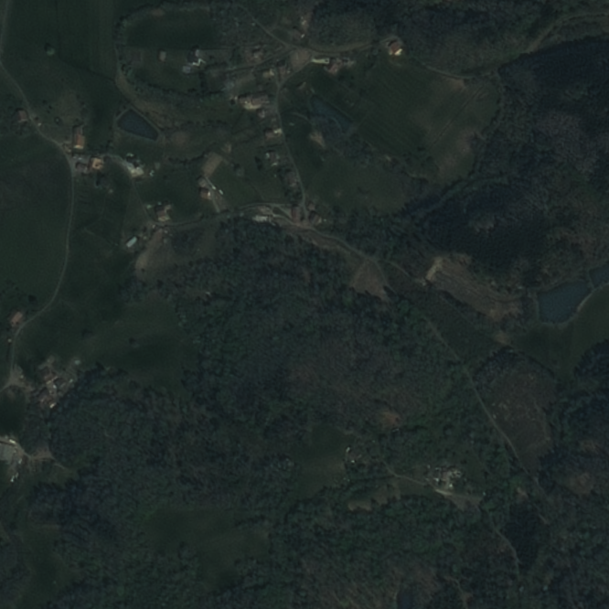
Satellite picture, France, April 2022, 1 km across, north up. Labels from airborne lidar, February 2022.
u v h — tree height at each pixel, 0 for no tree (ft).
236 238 44
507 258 63
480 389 37
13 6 0
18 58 0
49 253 0
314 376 75
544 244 52
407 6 38
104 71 0
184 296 30
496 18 91
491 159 51
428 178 0
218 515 0
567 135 55
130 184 0
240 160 0
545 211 49
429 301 22
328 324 83
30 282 0
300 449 0
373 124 0
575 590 83
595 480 73
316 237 0
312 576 87
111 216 0
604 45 64
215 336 69
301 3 71
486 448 78
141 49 0
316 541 79
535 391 0
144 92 55
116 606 27
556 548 72
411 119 0
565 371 0
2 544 27
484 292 0
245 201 0
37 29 0
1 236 0
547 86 58
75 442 58
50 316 0
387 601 82
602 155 52
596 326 0
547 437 0
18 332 0
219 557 0
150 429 80
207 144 0
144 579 29
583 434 97
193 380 53
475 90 0
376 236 75
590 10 77
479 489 51
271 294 70
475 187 40
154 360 0
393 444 57
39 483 0
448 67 44
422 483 0
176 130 33
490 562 95
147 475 95
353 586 80
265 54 18
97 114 0
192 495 48
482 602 82
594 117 54
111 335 0
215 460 25
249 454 67
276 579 57
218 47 0
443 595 60
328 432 0
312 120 61
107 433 69
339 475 0
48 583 0
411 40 61
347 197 0
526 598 86
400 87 0
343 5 41
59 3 0
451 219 56
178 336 0
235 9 64
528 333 38
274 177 0
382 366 101
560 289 0
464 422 28
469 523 60
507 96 35
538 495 99
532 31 28
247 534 0
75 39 0
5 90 0
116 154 0
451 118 0
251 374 84
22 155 0
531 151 45
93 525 91
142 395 52
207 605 75
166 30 0
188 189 0
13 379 0
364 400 77
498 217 46
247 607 82
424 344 84
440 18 78
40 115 0
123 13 0
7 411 0
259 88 22
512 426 0
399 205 0
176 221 0
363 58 0
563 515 75
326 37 27
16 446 0
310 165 0
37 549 0
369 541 84
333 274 58
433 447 51
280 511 65
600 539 79
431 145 0
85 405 78
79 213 0
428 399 73
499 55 87
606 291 0
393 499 0
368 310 48
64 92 0
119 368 0
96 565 57
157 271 0
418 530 79
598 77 55
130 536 70
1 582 73
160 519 0
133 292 70
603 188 56
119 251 0
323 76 0
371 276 0
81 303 0
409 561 80
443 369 76
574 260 50
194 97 22
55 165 0
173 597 29
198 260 0
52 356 0
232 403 74
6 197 0
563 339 0
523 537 62
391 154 0
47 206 0
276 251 53
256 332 76
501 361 62
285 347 82
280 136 0
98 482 98
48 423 34
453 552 94
